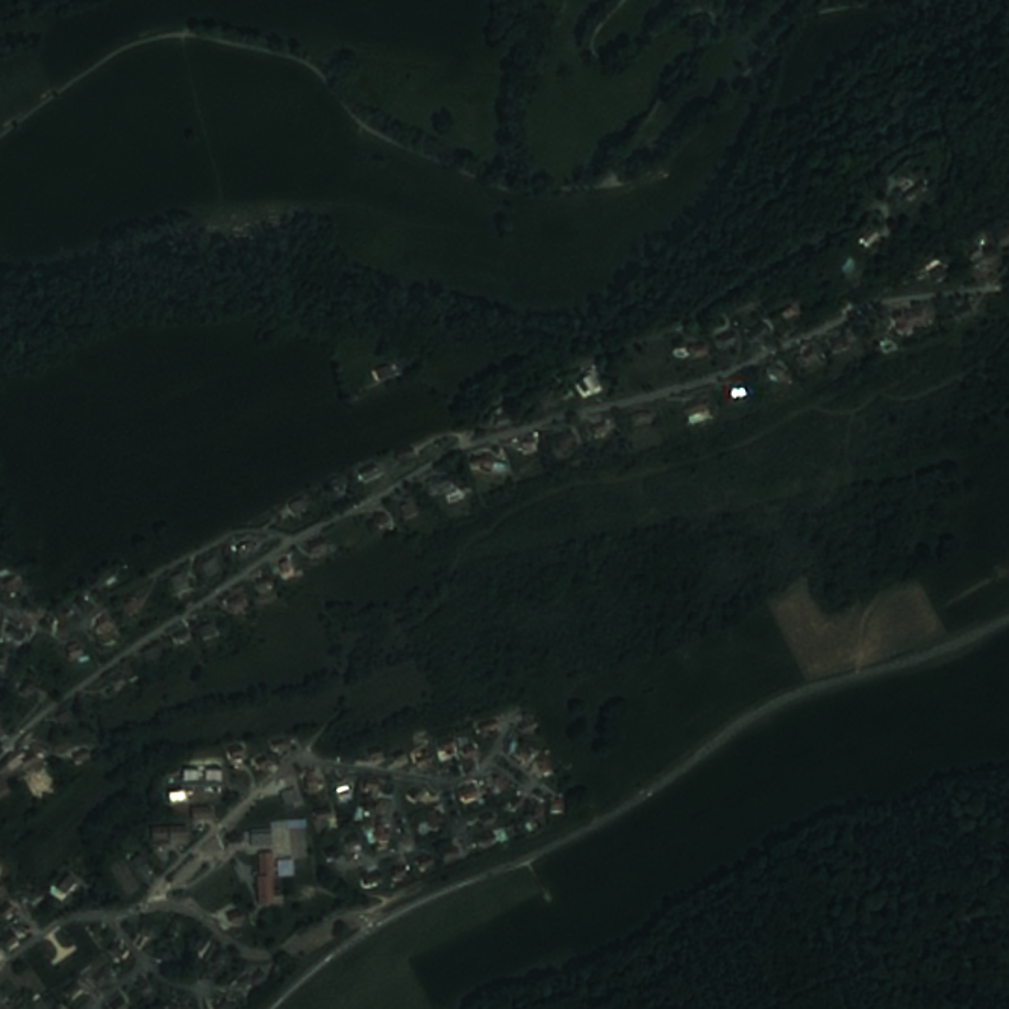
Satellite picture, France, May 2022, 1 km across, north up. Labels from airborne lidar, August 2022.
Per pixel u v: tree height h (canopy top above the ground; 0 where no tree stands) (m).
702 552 9
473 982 0
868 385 6
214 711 15
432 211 0
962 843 24
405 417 0
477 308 18
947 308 15
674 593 15
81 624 0
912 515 19
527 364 20
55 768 17
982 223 11
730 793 0
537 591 17
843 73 19
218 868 0
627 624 6
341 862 0
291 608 0
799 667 0
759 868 16
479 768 0
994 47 27
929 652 0
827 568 9
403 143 18
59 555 0
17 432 0
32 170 0
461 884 0
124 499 0
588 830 0
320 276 21
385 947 0
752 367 8
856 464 6
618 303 13
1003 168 14
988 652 0
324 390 0
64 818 0
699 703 0
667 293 23
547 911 0
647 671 0
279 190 0
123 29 0
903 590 0
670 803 0
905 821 24
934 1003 27
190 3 0
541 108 0
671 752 0
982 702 0
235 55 0
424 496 14
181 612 9
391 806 0
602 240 0
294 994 0
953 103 24
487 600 6
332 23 0
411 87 0
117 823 7
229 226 0
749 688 0
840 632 0
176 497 0
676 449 6
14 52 16
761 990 23
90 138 0
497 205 0
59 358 13
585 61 7
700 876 0
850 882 31
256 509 0
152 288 28
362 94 0
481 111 0
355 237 0
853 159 21
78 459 0
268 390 0
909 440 8
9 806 0
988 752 0
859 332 25
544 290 0
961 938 27
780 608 0
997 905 24
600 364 11
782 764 0
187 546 0
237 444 0
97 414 0
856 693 0
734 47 0
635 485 0
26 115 0
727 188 19
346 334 16
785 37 15
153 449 0
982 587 0
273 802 0
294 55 11
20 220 0
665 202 0
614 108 0
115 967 6
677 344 11
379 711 0
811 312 15
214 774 0
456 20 0
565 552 9
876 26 0
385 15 0
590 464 7
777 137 16
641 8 0
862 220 13
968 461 0
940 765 0
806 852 24
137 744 18
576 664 9
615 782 0
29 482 0
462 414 19
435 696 7
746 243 19
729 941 25
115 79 0
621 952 21
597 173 18
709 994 20
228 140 0
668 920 17
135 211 0
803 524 7
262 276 27
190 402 0
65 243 0
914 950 24
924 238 13
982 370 8
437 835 7
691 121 22
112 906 13
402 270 0
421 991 0
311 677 13
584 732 19
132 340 0
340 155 0
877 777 0
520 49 23
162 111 0
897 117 14
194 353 0
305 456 0
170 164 0
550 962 0
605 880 0
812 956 14
